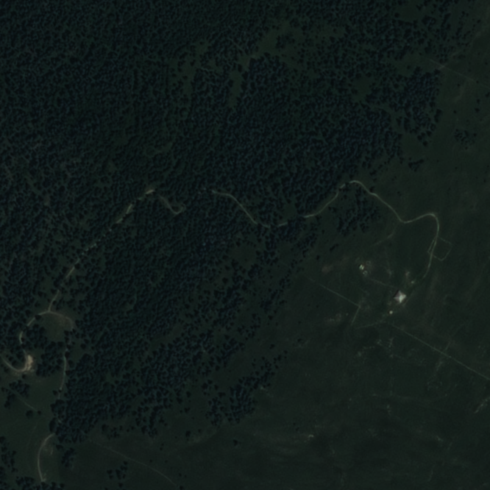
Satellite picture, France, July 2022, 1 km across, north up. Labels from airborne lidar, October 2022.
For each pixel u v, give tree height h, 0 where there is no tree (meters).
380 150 7
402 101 15
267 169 13
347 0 16
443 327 0
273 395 0
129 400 11
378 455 0
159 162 11
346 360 0
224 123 7
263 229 13
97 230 11
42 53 18
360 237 0
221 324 13
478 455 0
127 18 11
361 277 0
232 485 0
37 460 0
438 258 0
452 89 0
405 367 0
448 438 0
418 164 9
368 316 0
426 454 0
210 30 8
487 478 0
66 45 21
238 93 0
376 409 0
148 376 12
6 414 0
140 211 10
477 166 0
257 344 0
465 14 11
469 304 0
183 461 0
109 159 9
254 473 0
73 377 8
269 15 6
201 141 14
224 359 14
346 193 9
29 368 0
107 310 11
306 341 0
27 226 16
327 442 0
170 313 9
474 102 0
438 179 0
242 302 19
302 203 18
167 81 11
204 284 12
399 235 0
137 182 10
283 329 0
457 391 0
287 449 0
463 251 0
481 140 0
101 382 6
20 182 16
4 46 13
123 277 15
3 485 15
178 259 9
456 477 0
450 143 0
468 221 0
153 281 13
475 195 0
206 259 18
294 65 0
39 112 23
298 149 11
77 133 19
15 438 0
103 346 7
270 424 0
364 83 0
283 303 10
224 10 8
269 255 16
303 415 0
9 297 25
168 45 14
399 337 0
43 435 0
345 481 0
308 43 8
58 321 0
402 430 0
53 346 16
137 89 24
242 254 0
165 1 7
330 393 0
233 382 0
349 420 0
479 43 0
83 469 0
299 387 0
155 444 0
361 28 7
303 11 8
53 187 21
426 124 23
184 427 0
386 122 14
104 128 10
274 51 0
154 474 0
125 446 0
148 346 9
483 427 0
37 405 0
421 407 0
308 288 0
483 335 0
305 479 0
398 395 0
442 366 0
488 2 0
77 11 8
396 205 0
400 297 0
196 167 11
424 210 0
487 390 0
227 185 22
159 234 11
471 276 0
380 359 0
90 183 8
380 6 18
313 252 0
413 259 0
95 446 0
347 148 22
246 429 0
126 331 7
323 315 0
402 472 0
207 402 0
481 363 0
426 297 0
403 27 18
